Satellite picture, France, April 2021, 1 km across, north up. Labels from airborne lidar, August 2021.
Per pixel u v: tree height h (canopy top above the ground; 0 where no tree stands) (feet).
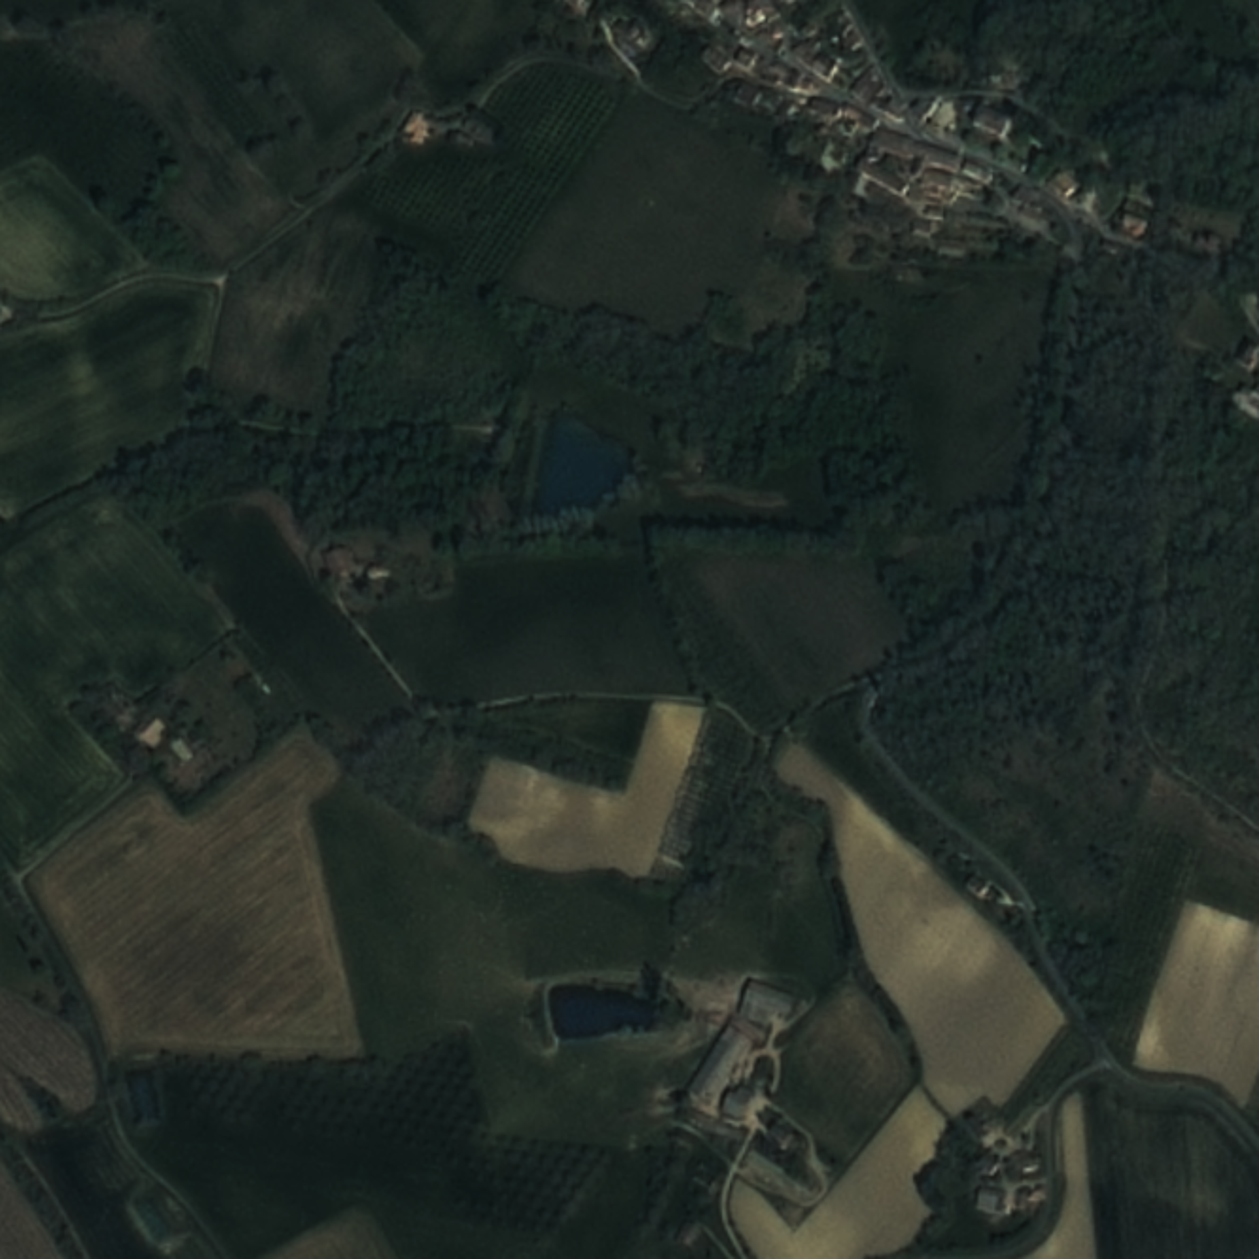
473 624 0
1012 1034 0
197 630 0
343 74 0
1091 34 66
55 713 0
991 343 0
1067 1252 0
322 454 32
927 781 23
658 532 48
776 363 63
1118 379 24
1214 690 37
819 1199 0
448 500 60
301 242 0
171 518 29
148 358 0
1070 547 53
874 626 0
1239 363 20
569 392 0
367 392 48
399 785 65
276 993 0
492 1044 0
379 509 36
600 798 0
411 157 0
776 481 0
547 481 0
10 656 0
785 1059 0
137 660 0
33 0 0
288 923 0
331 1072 29
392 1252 0
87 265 0
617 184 0
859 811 0
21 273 0
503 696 0
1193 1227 0
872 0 40
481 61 0
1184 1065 0
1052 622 17
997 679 31
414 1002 0
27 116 0
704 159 0
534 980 0
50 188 0
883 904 0
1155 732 35
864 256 53
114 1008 0
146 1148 0
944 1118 0
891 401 48
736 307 20
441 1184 0
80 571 0
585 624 0
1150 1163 0
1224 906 0
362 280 0
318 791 0
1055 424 28
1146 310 42
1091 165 37
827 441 62
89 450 0
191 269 31
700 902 41
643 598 0
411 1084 26
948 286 0
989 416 0
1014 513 51
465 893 0
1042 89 41
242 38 0
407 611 0
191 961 0
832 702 24
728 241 0
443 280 26
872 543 22
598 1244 0
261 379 0
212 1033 0
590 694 0
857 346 70
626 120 0
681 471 0
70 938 0
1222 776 32
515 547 28
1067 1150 0
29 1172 40
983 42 55
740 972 0
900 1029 48
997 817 43
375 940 0
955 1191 0
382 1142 0
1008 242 30
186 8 0
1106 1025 50
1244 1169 0
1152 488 58
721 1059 0
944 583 21
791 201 0
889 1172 0
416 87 47
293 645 0
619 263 0
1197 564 54
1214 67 49
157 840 0
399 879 0
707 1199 33
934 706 32
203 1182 0
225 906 0
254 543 0
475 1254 0
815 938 0
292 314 0
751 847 52
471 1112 27
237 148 0
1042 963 34
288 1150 0
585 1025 0
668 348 62
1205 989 0
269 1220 0
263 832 0
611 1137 0
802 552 56
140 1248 0
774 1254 0
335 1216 0
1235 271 69
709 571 0
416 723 51
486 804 0
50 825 0
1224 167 59
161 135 22
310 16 0
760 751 25
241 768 31
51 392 0
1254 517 39
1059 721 45
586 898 0
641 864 0
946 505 0
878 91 0
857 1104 0
